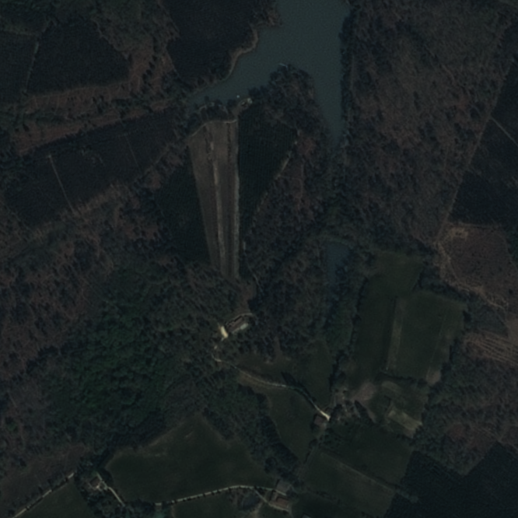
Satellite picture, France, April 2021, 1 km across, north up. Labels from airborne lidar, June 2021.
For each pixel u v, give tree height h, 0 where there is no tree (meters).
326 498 9
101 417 8
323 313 8
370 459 0
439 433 18
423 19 20
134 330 22
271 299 23
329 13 0
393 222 19
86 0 9
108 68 14
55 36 10
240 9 12
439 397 21
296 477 18
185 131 16
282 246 20
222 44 11
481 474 9
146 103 8
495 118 7
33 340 10
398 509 13
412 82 13
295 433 0
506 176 7
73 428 8
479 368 15
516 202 6
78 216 7
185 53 13
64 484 7
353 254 13
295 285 13
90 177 15
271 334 27
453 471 10
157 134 12
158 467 0
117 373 13
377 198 8
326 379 0
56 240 19
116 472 0
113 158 14
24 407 13
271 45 0
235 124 0
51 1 9
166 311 18
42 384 12
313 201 13
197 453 0
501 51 12
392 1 12
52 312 8
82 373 13
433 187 18
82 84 12
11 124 8
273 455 10
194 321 16
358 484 0
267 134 10
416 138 13
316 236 16
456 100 17
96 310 10
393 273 0
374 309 0
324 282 16
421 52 16
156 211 25
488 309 11
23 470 18
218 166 0
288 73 17
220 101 0
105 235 7
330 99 0
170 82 20
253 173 13
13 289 7
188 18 12
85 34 13
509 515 11
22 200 16
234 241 0
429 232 15
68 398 8
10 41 9
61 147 15
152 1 22
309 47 0
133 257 24
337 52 0
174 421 8
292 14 0
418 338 0
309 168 9
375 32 24
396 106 14
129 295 11
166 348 13
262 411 13
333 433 11
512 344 0
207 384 21
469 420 22
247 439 19
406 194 9
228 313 18
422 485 10
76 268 14
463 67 12
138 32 25
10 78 10
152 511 21
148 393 13
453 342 0
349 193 26
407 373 0
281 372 0
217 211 0
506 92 10
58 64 12
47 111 6
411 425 0
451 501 10
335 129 0
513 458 7
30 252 13
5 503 7
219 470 0
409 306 0
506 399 10
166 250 21
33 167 13
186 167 10
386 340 0
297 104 18
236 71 0
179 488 0
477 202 7
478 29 18
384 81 12
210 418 22
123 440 23
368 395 0
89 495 8
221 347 13
